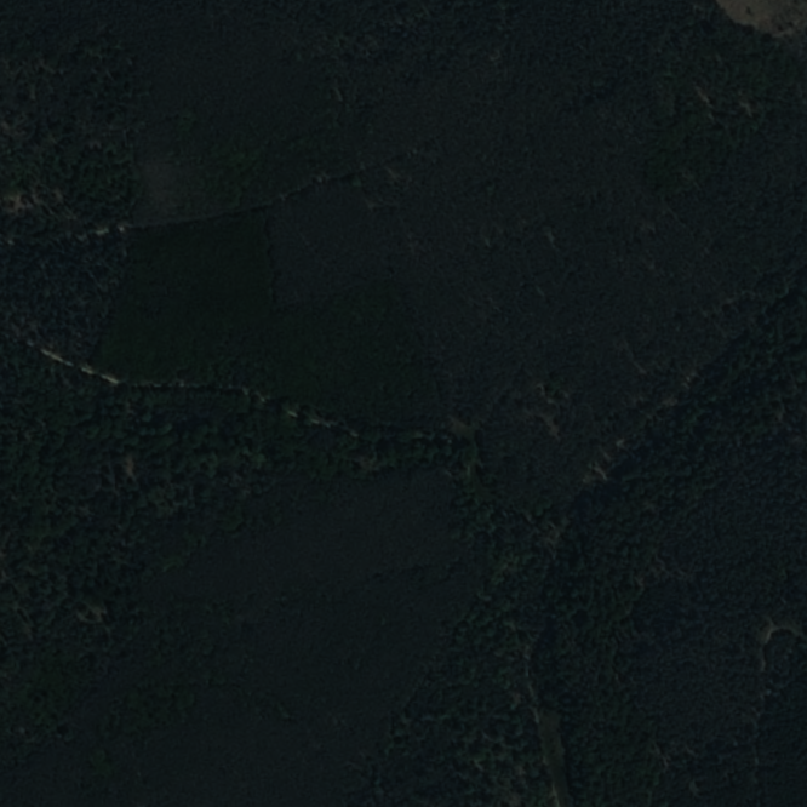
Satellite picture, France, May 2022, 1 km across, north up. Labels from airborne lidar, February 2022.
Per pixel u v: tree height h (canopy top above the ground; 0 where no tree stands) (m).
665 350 21
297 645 18
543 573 10
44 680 8
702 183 24
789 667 10
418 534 20
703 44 25
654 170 19
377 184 17
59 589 9
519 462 22
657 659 26
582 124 20
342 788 17
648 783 28
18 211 27
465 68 23
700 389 8
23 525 25
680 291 23
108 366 12
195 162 11
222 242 13
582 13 23
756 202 21
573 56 20
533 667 11
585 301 19
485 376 23
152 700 17
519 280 21
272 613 20
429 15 23
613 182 21
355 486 19
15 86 9
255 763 19
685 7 27
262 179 19
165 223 15
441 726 12
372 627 18
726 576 23
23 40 19
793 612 12
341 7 20
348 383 13
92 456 21
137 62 14
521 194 19
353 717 20
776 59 26
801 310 31
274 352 14
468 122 19
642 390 20
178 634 17
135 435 23
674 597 11
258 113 14
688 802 14
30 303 32
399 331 12
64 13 22
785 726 17
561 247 20
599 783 25
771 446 27
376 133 21
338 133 17
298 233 19
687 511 29
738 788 15
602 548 31
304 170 20
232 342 12
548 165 19
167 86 14
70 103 12
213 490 11
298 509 16
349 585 19
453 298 19
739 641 23
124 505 17
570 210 19
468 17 28
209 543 15
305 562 20
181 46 17
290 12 22
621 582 22
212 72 17
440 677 8
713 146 24
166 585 18
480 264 22
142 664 16
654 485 34
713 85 27
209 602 15
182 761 18
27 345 20
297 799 20
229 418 8
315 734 21
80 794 16
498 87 21
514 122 20
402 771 12
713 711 27
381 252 19
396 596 19
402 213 16
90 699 16
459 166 19
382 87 19
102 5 22
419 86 22
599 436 22
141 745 20
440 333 20
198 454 24
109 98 9
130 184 18
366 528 20
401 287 15
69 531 7
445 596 20
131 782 18
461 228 16
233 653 18
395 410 15
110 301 9
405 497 21
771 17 0
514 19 24
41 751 15
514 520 29
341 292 10
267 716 19
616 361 22
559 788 0
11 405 23
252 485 24
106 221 19
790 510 24
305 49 16
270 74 17
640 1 26
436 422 16
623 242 16
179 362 13
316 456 16
